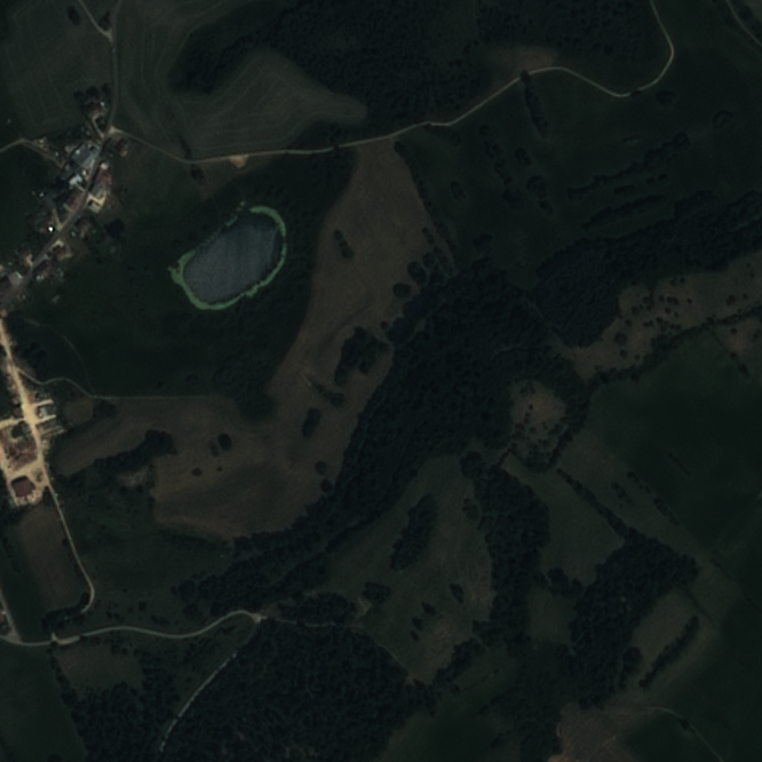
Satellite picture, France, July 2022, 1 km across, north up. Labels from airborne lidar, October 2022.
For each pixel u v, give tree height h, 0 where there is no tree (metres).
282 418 0
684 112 0
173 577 0
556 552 0
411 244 0
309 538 12
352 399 0
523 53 0
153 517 0
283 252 0
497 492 8
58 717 0
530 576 16
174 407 0
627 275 20
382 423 6
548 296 20
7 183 0
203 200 0
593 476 0
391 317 0
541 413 0
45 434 0
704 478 0
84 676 0
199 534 0
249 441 0
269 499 0
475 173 0
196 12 0
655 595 15
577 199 10
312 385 0
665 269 7
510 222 0
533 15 0
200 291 0
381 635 0
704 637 0
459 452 6
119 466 11
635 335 0
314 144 0
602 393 0
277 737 18
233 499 0
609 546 0
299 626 7
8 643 0
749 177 0
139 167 0
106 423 0
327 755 6
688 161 0
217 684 6
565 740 0
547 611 0
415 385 24
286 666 6
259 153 0
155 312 0
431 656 0
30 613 0
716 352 0
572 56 0
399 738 0
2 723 0
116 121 0
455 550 0
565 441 9
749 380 0
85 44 0
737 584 0
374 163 0
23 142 0
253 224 0
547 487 0
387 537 0
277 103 0
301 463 0
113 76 0
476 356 7
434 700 11
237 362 7
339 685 12
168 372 0
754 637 0
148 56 0
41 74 0
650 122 0
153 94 0
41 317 0
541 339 11
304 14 6
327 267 0
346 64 15
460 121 0
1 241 0
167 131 0
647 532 0
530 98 15
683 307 0
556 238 0
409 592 0
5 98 0
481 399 9
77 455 0
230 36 0
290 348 0
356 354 12
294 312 0
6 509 8
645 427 0
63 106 0
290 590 7
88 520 0
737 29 8
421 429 7
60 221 0
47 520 0
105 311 0
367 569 0
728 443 0
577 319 21
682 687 0
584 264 23
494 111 0
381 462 8
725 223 11
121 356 0
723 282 0
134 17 0
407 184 0
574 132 0
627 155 0
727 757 0
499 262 0
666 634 0
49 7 0
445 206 0
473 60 0
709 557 0
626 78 0
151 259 0
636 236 7
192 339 0
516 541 22
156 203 0
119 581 0
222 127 0
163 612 0
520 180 0
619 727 0
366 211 0
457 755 0
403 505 0
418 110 13
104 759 16
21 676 0
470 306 21
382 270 0
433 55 0
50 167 0
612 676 9
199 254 0
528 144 0
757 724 0
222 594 10
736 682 0
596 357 0
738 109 0
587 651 27
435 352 7
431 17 7
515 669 0
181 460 0
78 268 0
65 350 0
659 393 0
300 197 0
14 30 0
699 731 0
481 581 0
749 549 0
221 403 0
